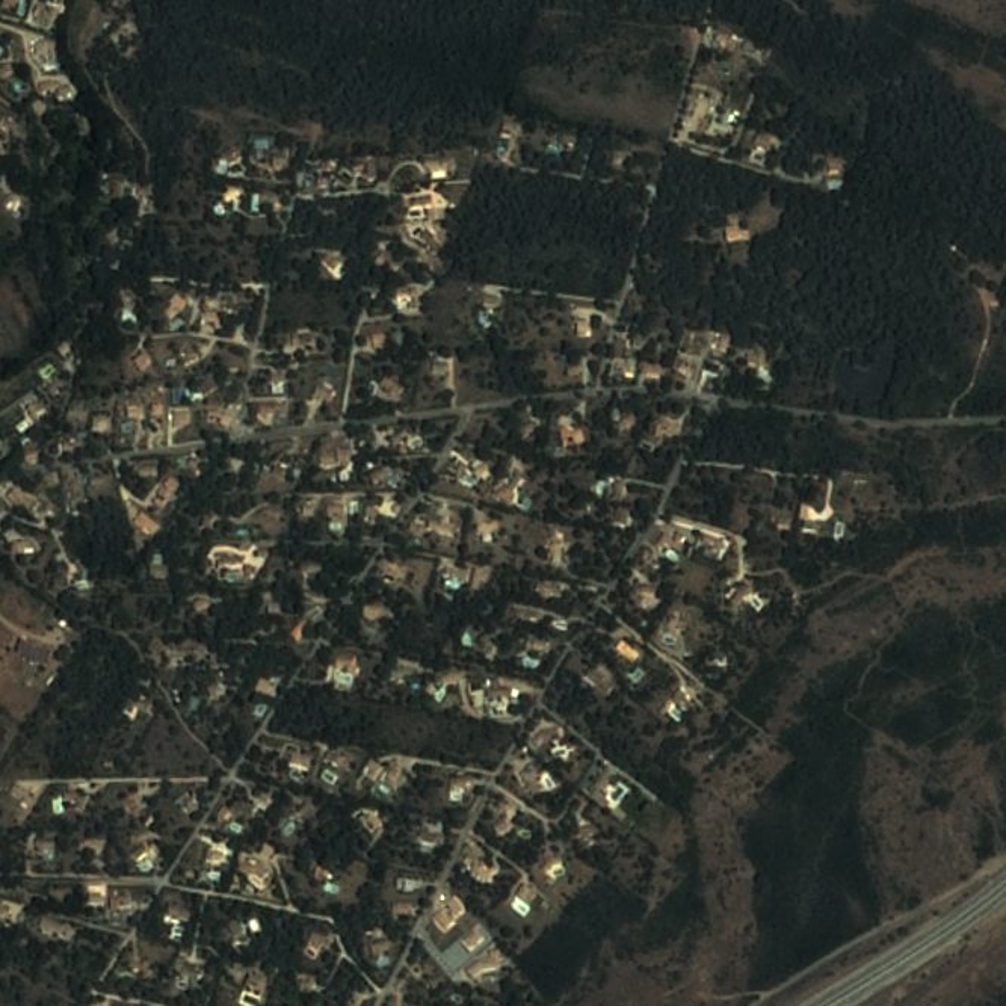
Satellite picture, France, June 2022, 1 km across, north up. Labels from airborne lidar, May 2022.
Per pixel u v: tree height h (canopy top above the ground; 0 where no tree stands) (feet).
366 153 40
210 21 42
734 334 37
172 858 23
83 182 45
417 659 25
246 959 31
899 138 38
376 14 35
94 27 0
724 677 22
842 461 28
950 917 0
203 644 42
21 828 30
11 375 40
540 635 24
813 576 21
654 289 38
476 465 0
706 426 24
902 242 40
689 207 46
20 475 52
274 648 34
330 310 0
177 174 20
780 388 27
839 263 35
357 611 37
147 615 18
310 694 30
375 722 25
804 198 37
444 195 22
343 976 41
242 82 38
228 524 34
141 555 27
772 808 0
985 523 18
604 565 47
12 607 0
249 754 29
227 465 36
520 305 25
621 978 0
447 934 0
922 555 0
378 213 43
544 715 22
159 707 26
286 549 40
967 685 0
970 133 42
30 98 19
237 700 26
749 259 19
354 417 18
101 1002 31
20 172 22
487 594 21
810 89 23
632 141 26
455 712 27
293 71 35
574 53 21
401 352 22
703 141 31
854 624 0
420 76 18
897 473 24
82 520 38
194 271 35
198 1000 33
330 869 67
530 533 0
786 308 27
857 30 31
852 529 23
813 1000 0
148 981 27
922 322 30
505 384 27
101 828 43
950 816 0
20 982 44
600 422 36
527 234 31
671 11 31
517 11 27
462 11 31
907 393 30
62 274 37
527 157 48
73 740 29
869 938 0
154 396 0
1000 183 35
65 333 48
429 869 41
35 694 0
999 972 0
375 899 36
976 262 36
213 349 0
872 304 42
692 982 0
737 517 0
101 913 25
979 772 0
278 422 0
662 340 31
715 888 0
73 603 39
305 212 33
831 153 48
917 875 0
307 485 33
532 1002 34
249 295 23
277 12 23
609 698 27
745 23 42
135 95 34
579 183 34
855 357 41
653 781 23
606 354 23
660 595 37
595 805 32
